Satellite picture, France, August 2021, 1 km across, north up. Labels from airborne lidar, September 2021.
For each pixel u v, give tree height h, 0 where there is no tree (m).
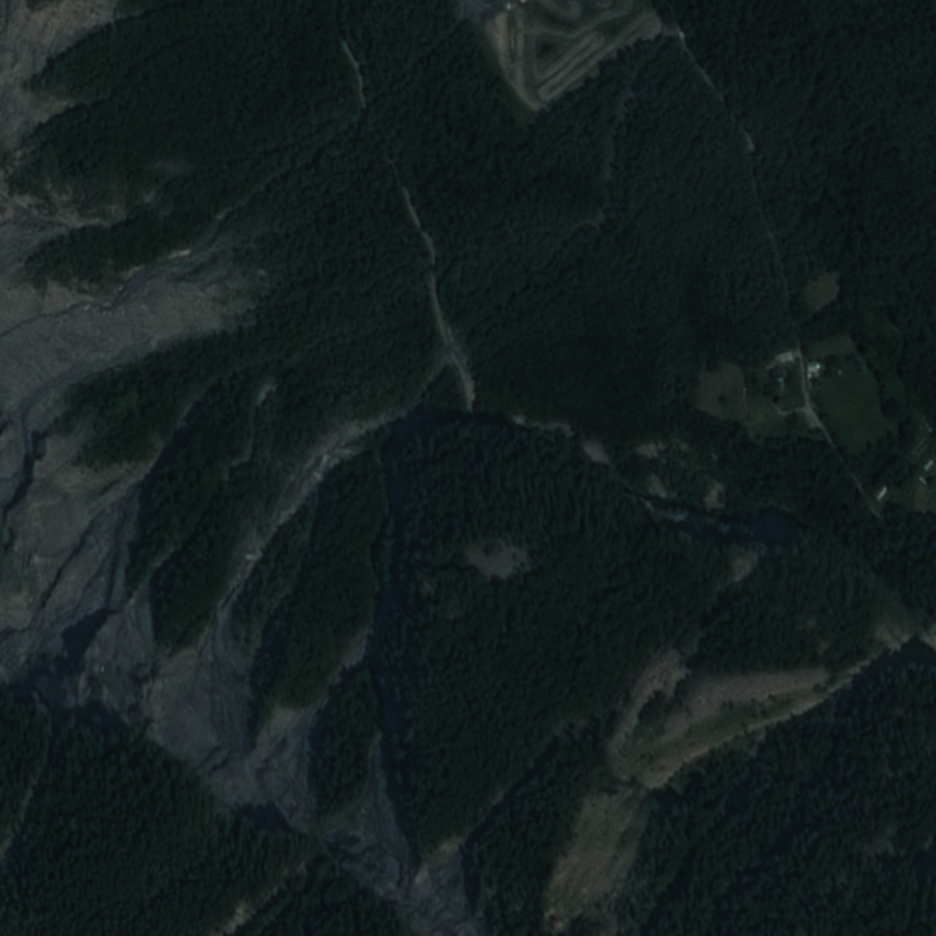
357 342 11
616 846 0
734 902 30
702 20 14
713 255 21
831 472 19
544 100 0
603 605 25
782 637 19
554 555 19
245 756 0
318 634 13
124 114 21
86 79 20
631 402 21
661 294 27
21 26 0
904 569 22
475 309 20
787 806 26
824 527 7
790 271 8
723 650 12
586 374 22
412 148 23
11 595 0
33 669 0
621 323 20
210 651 0
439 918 0
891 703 18
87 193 12
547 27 0
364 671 10
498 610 19
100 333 0
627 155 13
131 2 7
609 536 30
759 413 0
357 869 0
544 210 16
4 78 0
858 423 0
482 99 24
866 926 13
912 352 6
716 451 9
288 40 20
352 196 22
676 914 24
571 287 16
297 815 0
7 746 20
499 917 18
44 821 14
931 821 28
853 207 21
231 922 15
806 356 6
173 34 25
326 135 23
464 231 20
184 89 27
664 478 7
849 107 22
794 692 0
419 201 12
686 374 15
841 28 8
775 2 25
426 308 8
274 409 8
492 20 0
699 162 18
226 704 0
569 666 22
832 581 11
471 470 32
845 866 8
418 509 20
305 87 22
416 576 5
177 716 0
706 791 37
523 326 20
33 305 0
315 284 14
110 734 0
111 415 10
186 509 22
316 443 7
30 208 7
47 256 14
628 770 0
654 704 11
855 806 19
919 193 20
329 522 15
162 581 14
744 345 24
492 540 14
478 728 27
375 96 14
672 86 23
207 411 20
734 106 17
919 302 6
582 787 15
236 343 13
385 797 0
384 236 21
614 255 15
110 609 0
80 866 23
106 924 27
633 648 26
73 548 0
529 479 30
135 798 20
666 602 17
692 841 20
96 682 0
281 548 9
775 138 21
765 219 14
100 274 12
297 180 18
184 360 5
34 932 16
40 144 8
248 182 12
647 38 0
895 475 13
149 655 0
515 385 17
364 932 20
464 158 21
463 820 24
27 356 0
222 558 15
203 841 16
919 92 14
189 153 25
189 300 0
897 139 6
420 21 24
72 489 0
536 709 26
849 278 19
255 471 11
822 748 23
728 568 10
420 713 16
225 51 25
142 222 13
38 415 0
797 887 13
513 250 19
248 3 19
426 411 12
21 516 0
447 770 28
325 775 12
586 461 8
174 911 30
